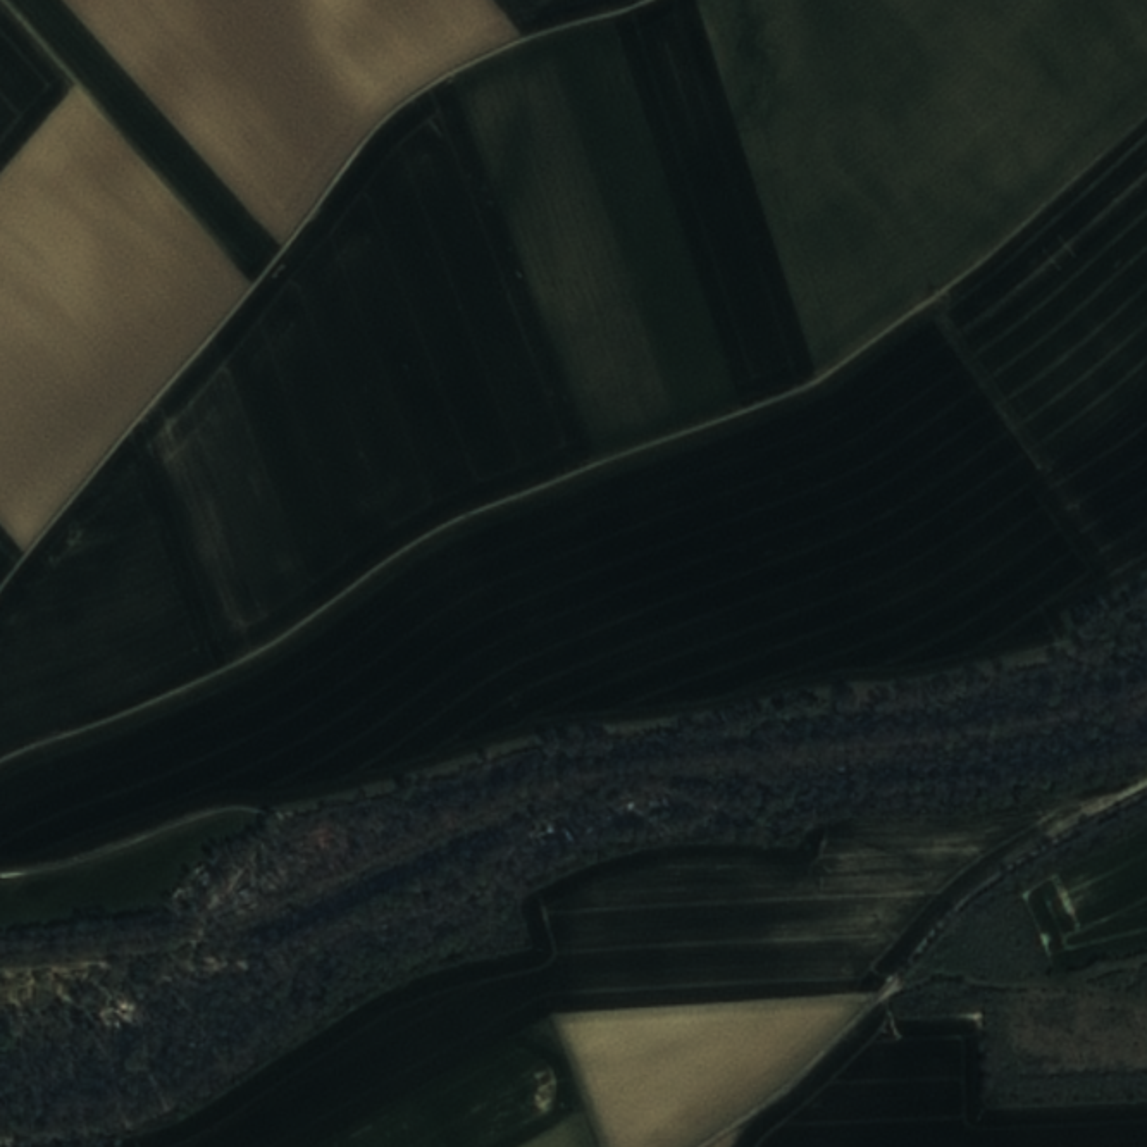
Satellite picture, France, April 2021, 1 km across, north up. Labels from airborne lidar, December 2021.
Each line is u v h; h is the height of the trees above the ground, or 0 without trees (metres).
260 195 0
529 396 0
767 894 0
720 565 0
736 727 20
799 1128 0
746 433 0
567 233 0
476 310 0
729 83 0
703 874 0
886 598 0
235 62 0
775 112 0
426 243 0
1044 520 0
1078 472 0
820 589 0
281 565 0
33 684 0
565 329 0
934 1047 0
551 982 0
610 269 0
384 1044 0
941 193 0
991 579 0
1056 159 0
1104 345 0
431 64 0
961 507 0
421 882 16
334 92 0
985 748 9
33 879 0
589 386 0
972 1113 0
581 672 0
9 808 0
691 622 0
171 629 0
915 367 0
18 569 0
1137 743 13
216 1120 0
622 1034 0
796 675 0
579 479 0
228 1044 11
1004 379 0
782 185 0
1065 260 0
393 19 0
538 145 0
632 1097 0
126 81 0
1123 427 0
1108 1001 0
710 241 0
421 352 0
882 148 0
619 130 0
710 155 0
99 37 0
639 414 0
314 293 0
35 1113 17
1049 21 0
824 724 6
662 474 0
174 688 0
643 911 0
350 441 0
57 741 0
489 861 22
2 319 0
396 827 12
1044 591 0
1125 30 0
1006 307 0
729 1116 0
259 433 0
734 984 0
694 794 20
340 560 0
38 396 0
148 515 0
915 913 0
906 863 0
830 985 0
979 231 0
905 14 0
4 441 0
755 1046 0
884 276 0
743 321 0
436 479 0
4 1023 8
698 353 0
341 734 0
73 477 0
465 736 0
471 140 0
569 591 0
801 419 0
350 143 0
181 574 0
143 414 0
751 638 0
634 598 0
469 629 0
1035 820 0
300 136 0
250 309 0
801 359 0
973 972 6
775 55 0
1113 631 17
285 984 24
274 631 0
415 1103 0
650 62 0
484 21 0
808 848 0
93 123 0
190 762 0
